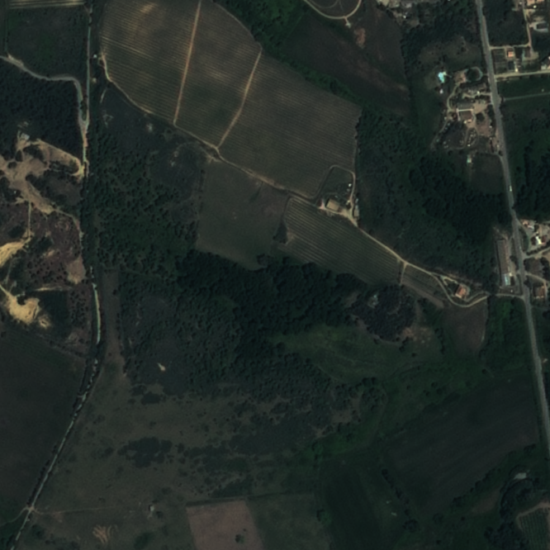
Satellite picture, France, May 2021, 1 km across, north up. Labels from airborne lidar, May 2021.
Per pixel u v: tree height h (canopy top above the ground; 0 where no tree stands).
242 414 7
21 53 0
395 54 0
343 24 0
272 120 0
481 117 11
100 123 9
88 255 11
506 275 0
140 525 0
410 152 9
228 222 0
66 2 0
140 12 0
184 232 10
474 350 0
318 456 13
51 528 0
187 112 0
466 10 9
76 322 7
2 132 11
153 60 0
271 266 19
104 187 9
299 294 19
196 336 10
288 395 7
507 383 0
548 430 0
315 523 0
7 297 0
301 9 6
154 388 0
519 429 0
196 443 0
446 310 0
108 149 10
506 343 8
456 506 8
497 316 6
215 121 0
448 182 17
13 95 10
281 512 0
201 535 0
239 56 0
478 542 0
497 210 21
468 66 6
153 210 9
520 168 14
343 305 10
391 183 12
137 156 7
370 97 0
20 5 0
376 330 14
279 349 14
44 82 10
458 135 0
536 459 0
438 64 7
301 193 0
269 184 0
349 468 0
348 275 13
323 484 0
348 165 0
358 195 9
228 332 8
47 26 0
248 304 22
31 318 0
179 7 0
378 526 0
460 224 17
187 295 10
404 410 0
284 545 0
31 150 9
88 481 0
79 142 12
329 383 9
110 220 7
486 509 0
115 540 0
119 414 0
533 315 0
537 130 12
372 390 7
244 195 0
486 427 0
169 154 0
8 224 0
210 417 0
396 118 6
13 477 0
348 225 0
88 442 0
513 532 15
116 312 0
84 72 7
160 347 0
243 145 0
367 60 0
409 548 0
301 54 0
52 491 0
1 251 0
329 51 0
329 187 0
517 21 0
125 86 0
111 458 0
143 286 6
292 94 0
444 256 7
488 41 0
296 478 0
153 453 0
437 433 0
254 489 0
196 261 20
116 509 0
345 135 0
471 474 0
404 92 0
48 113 11
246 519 0
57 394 0
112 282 0
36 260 5
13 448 0
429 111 0
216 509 0
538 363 0
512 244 0
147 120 0
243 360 16
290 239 0
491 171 0
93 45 0
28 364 0
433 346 0
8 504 0
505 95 0
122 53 0
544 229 0
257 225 0
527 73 0
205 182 0
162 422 0
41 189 12
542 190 15
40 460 0
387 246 0
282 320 23
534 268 0
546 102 0
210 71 0
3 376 0
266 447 0
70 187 0
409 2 0
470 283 8
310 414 7
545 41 8
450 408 0
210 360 11
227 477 0
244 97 0
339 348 0
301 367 6
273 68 0
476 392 0
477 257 12
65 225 0
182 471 0
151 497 0
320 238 0
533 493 28
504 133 0
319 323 12
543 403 0
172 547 0
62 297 7
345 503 0
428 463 0
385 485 0
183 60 0
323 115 0
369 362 0
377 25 0
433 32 6
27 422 0
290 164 0
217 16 0
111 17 0
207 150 0
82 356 13
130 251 8
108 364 0
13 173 0
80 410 7
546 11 0
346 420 0
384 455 0
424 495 0
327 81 7
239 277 20
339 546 0
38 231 0
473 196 16
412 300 8
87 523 0
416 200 9
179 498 0
